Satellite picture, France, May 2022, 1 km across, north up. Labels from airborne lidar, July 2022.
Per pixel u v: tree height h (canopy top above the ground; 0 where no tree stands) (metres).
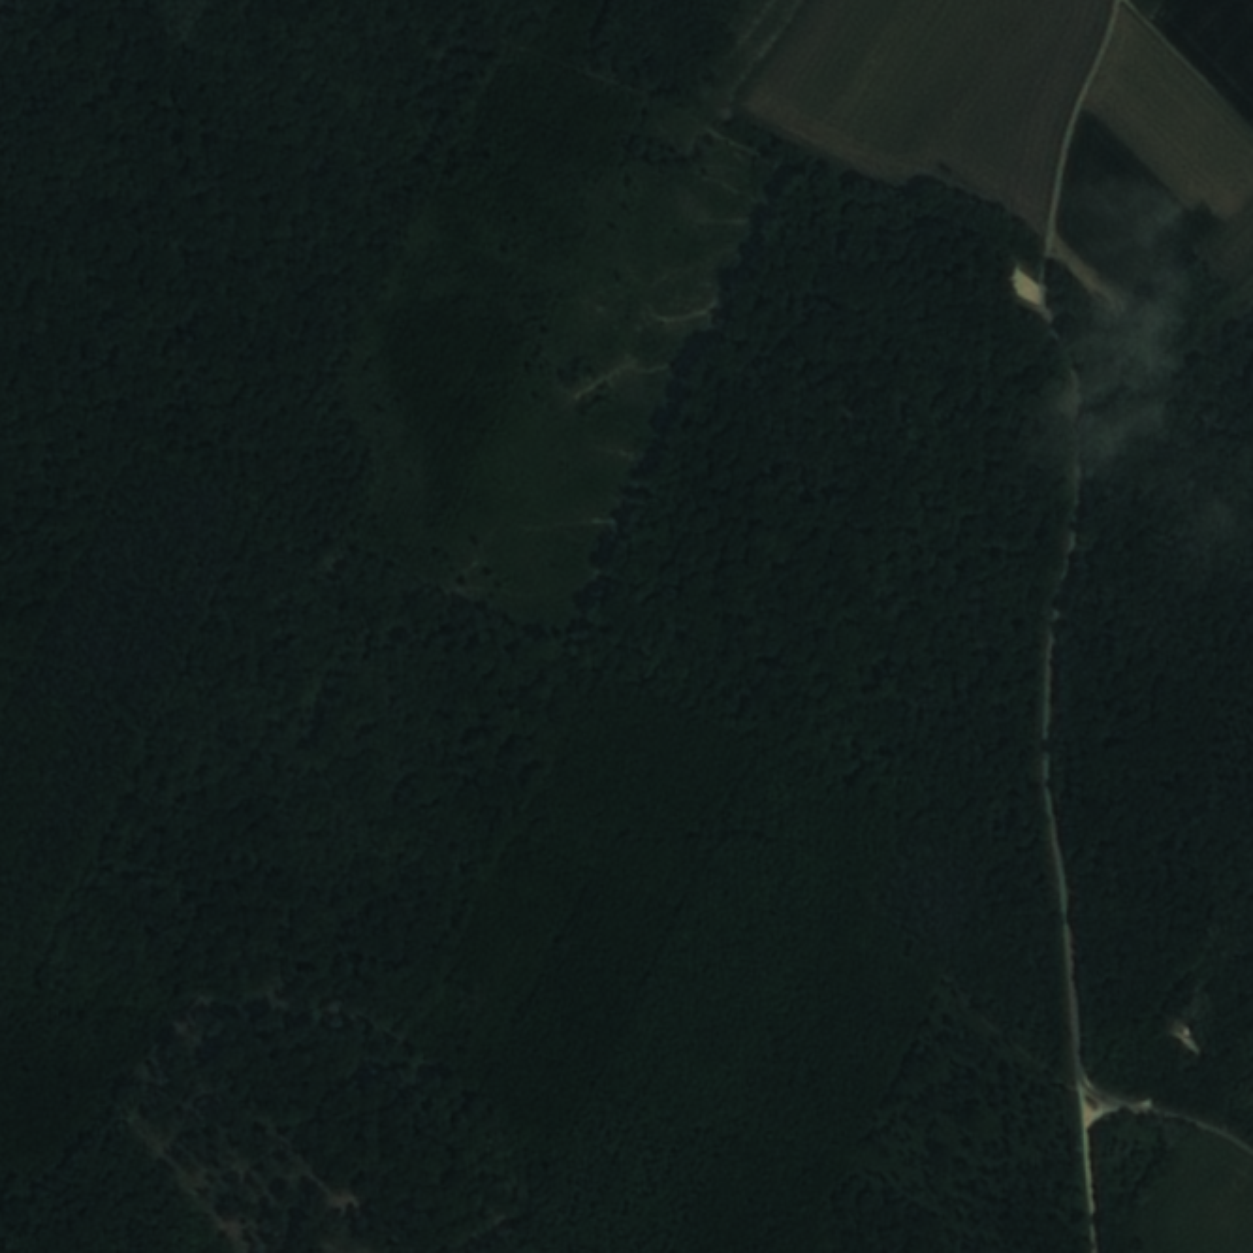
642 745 14
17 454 18
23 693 12
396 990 23
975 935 15
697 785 14
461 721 21
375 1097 29
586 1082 14
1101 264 0
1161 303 24
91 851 8
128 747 12
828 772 23
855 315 22
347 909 22
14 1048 7
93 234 24
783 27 0
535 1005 14
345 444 12
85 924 16
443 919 23
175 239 18
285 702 19
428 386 6
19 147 19
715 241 0
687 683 20
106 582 14
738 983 20
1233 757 15
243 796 21
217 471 10
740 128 6
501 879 10
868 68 0
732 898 19
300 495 9
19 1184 17
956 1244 15
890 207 18
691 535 23
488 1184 26
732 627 27
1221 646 18
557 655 25
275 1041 30
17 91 13
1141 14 0
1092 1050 9
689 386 28
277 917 23
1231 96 0
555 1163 19
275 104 19
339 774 19
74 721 11
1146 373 16
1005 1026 14
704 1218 19
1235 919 14
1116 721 21
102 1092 8
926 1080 18
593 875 12
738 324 23
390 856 12
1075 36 0
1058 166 0
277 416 11
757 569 24
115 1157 16
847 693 22
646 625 24
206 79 24
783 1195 19
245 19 16
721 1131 15
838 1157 17
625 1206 17
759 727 19
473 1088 12
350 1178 21
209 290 22
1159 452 23
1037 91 0
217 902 21
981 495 26
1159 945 13
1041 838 15
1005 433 23
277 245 20
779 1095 16
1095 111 0
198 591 9
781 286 17
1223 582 17
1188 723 17
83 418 20
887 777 19
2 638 14
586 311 0
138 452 12
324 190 22
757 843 19
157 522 12
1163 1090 13
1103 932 16
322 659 18
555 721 27
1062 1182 13
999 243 20
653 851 15
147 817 20
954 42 0
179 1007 11
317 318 15
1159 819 15
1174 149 0
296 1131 27
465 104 19
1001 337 18
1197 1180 0
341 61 13
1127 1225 15
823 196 22
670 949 16
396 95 15
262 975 26
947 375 26
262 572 13
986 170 0
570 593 0
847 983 17
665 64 17
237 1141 22
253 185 23
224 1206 17
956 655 20
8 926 12
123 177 18
